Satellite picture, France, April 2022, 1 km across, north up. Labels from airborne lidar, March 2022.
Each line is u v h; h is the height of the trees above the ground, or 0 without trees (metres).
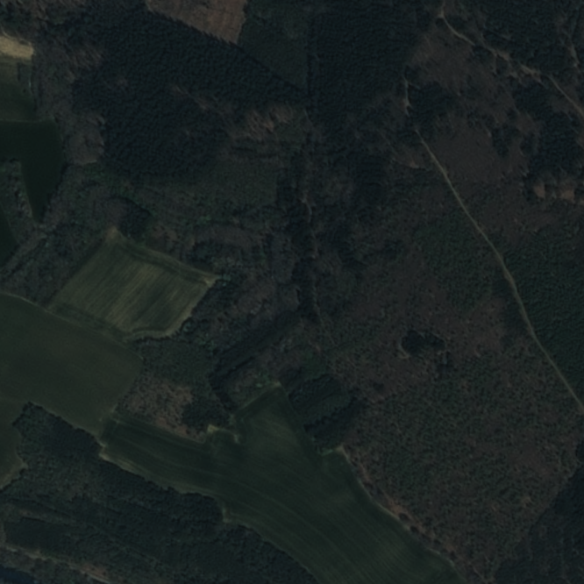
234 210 23
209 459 0
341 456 0
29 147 0
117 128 31
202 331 17
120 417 0
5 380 0
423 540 21
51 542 16
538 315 11
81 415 0
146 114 24
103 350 0
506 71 16
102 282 0
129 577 13
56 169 0
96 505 15
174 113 31
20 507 15
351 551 0
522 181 9
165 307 0
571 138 22
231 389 14
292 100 27
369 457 6
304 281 19
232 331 18
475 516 17
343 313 12
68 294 0
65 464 11
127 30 22
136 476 10
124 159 27
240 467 0
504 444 11
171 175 29
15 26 31
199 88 33
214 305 25
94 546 15
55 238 16
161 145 29
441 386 13
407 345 15
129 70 29
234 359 27
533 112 20
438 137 12
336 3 20
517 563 11
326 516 0
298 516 0
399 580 0
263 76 29
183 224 17
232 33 0
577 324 12
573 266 5
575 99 16
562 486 12
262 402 0
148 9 30
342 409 16
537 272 8
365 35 17
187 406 8
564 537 10
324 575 0
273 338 30
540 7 17
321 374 20
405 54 20
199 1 0
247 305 28
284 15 18
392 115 21
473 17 12
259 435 0
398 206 11
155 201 26
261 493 0
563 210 7
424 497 16
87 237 26
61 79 24
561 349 10
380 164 16
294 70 8
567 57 18
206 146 32
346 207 23
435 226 12
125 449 0
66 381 0
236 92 27
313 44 17
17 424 9
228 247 24
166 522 16
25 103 0
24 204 14
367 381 8
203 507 17
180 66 24
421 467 18
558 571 11
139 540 15
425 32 21
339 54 19
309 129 23
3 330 0
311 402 21
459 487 9
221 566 17
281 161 12
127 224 26
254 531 11
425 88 16
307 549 0
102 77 29
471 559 9
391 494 6
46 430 13
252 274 23
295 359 24
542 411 9
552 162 20
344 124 18
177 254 16
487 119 13
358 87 20
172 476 0
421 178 7
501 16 17
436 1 18
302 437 0
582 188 13
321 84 25
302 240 13
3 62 0
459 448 14
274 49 8
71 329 0
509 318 8
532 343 12
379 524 0
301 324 18
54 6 26
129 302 0
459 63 17
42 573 31
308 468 0
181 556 13
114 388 0
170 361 14
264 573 13
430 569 0
